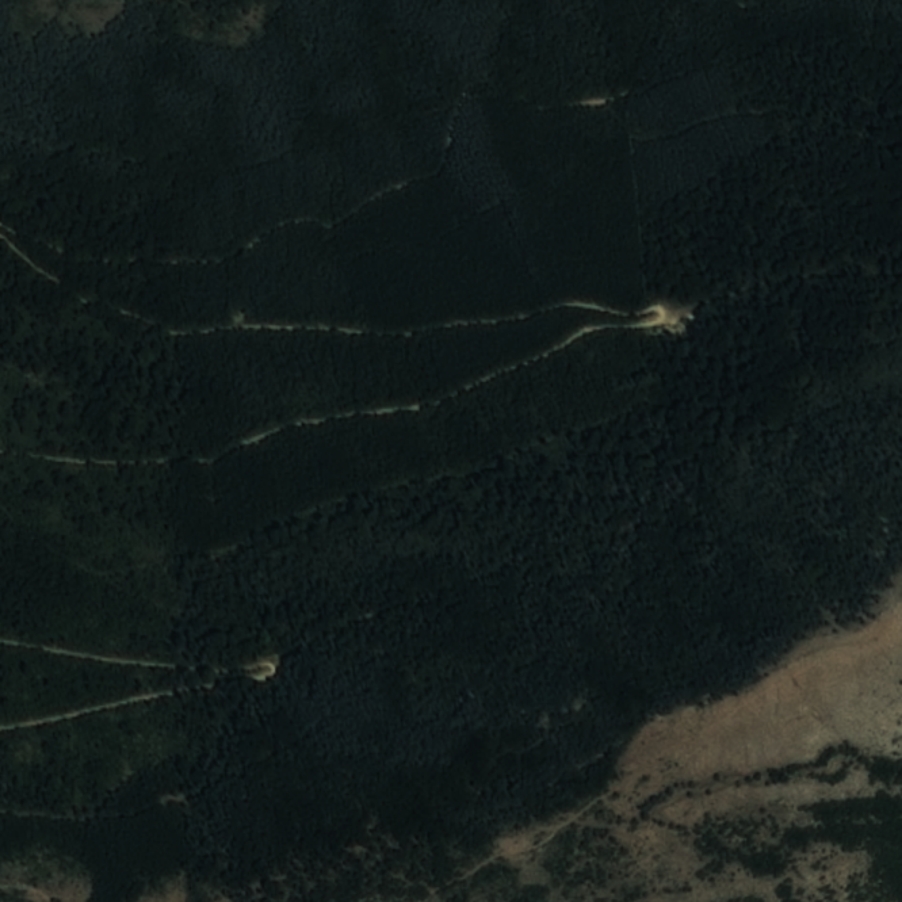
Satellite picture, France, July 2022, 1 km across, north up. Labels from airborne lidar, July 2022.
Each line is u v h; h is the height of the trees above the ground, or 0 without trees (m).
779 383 26
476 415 8
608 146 8
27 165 21
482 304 9
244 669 8
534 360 9
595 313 9
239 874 18
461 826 9
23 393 6
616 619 19
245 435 7
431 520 20
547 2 18
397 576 17
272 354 7
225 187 13
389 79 22
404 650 17
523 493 21
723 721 0
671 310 0
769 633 14
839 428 12
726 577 17
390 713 17
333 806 11
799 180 14
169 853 8
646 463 23
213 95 14
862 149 22
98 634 6
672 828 8
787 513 15
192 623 10
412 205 10
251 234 9
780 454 14
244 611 7
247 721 21
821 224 13
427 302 10
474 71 10
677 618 17
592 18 12
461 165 14
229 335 14
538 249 10
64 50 9
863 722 0
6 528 11
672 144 13
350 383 9
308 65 13
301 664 18
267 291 8
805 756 0
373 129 12
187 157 16
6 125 13
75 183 28
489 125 11
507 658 12
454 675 12
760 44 14
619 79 16
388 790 20
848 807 6
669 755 0
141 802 10
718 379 19
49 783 15
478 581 18
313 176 12
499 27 13
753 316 17
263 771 12
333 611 19
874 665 0
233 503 6
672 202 12
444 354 11
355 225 13
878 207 28
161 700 9
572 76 16
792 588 9
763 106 12
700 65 8
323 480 7
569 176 16
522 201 8
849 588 11
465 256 9
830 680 0
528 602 16
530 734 10
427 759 17
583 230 11
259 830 18
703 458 23
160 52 17
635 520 25
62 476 12
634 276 14
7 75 13
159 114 20
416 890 6
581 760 20
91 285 18
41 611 7
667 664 15
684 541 21
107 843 12
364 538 9
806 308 21
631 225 11
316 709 19
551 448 26
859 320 20
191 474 11
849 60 22
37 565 10
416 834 16
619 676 14
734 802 0
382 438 10
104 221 10
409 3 10
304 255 9
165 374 22
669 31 8
